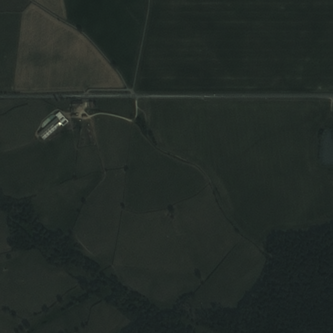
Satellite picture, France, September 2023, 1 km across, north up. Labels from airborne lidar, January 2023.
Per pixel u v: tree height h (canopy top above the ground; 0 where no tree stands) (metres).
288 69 0
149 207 0
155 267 0
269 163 0
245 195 0
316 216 0
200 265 0
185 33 0
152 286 0
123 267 0
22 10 0
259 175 0
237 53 0
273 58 0
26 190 0
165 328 25
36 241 17
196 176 0
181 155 0
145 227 0
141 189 0
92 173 0
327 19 0
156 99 0
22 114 0
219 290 0
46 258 10
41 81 0
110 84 0
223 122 0
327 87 0
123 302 13
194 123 0
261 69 0
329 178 0
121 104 0
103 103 0
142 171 0
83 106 0
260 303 23
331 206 0
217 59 0
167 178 0
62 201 0
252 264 0
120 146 0
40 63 0
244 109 0
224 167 0
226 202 0
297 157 0
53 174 0
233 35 0
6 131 0
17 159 0
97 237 0
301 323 21
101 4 0
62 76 0
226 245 0
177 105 0
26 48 0
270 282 13
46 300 0
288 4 0
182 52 0
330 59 0
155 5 0
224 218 0
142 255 0
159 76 0
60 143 0
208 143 0
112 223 0
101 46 0
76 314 0
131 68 0
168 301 0
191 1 0
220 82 0
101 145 0
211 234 0
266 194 0
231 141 0
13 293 0
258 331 22
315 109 0
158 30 0
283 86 0
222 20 0
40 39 0
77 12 0
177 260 0
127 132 0
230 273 0
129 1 0
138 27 0
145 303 20
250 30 0
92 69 0
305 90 0
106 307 0
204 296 0
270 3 0
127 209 0
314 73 0
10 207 13
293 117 0
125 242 0
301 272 18
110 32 0
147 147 0
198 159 0
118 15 0
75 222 0
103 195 0
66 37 0
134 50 0
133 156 0
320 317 20
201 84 0
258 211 0
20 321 0
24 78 0
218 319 21
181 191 0
